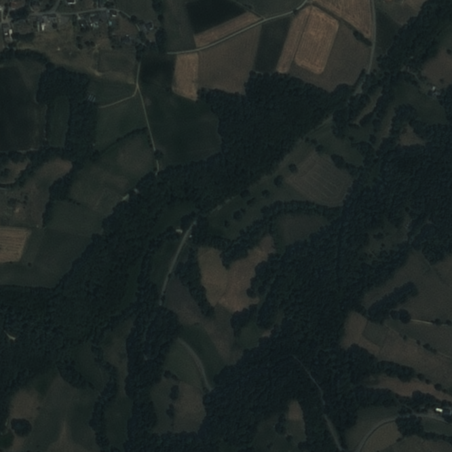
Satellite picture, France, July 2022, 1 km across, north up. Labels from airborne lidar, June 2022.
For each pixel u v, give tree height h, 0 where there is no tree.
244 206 0
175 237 21
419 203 16
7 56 16
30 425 25
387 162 26
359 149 17
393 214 30
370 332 0
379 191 27
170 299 0
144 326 13
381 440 0
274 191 0
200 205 25
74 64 0
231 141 24
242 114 25
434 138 25
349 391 18
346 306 20
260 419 23
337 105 20
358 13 0
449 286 0
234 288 0
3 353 16
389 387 0
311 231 0
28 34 8
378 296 0
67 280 22
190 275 26
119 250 28
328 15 0
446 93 13
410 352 0
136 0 0
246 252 20
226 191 19
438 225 24
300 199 0
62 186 20
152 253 12
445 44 0
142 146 0
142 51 11
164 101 0
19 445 0
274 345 25
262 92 27
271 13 0
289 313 18
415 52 16
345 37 0
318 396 18
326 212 23
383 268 20
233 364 0
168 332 27
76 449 0
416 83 15
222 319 0
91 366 0
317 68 0
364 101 20
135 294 0
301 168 0
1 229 0
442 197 21
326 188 0
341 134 21
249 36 0
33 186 0
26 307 14
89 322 21
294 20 0
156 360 21
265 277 16
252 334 0
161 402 0
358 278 10
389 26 0
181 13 0
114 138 0
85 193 0
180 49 0
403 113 27
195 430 0
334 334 20
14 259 0
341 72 0
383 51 0
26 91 0
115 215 13
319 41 0
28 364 20
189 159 0
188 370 0
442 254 17
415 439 0
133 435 26
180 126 0
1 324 21
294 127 25
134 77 0
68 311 25
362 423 0
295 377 28
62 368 22
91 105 22
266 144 25
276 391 26
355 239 27
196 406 0
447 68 0
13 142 0
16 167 0
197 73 0
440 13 25
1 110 0
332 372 31
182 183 12
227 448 0
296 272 20
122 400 0
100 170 0
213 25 0
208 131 0
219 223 0
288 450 0
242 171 36
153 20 0
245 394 33
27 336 23
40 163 20
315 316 17
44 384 0
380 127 15
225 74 0
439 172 22
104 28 0
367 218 33
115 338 0
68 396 0
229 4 0
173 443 25
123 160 0
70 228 0
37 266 0
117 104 0
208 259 0
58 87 22
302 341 27
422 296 0
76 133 17
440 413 13
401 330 0
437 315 0
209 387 0
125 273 12
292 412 0
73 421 0
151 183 18
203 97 17
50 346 19
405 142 0
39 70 0
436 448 0
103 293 21
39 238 0
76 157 20
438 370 0
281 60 0
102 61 0
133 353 28
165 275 0
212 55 0
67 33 0
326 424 14
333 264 23
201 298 19
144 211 36
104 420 21
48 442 0
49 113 14
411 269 0
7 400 17
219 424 27
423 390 0
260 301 0
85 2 0
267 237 0
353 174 21
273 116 24
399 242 0
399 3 0
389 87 16
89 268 26
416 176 13
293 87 9
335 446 22
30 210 0
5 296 16
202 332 0
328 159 0
